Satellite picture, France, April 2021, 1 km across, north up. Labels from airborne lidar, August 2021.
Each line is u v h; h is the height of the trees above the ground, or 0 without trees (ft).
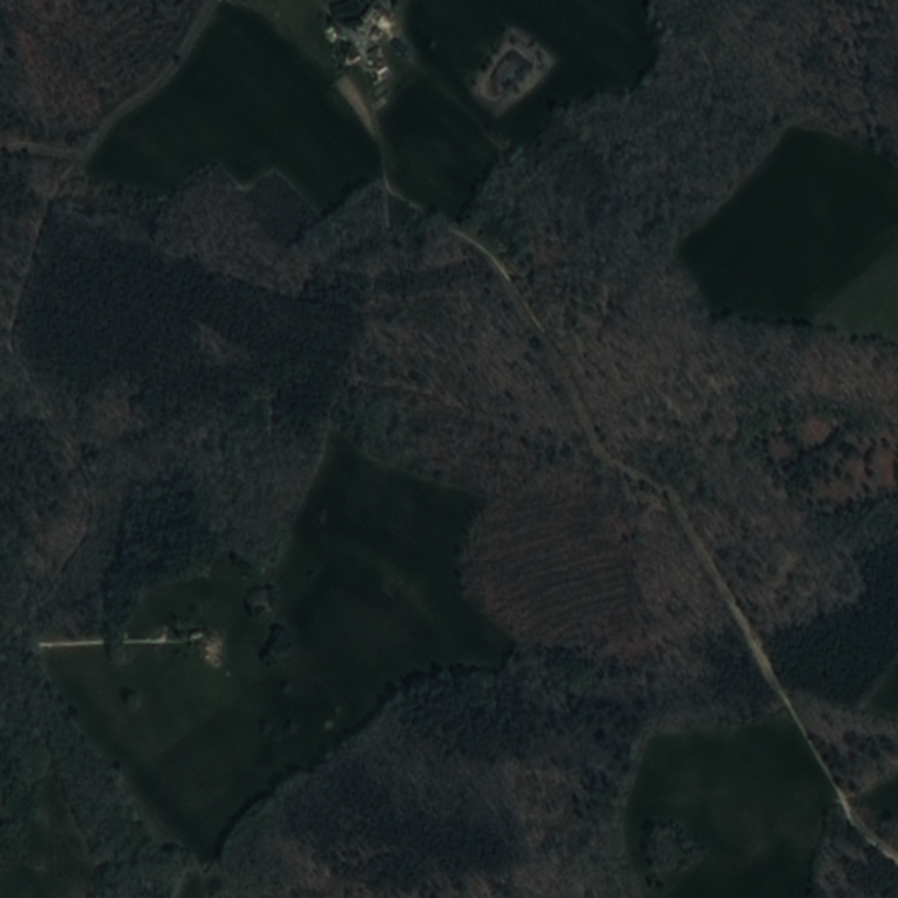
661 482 62
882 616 62
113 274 62
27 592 57
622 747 38
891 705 0
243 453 51
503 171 64
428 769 49
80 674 0
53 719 62
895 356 56
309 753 0
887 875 75
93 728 0
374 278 49
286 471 43
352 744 51
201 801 0
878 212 0
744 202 0
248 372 49
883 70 48
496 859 61
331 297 47
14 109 53
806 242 0
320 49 0
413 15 0
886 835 60
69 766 58
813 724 52
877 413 51
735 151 53
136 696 34
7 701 58
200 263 48
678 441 31
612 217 45
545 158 24
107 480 68
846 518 44
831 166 0
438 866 41
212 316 61
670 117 64
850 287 0
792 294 0
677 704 65
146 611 0
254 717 0
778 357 52
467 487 23
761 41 41
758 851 0
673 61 62
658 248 42
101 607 54
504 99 0
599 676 21
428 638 0
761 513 49
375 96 0
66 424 53
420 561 0
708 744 0
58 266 57
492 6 0
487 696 82
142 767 0
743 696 72
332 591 0
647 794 0
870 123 42
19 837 42
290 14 0
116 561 38
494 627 0
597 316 48
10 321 55
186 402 49
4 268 48
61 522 79
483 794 57
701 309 39
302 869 52
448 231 58
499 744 78
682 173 55
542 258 21
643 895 0
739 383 47
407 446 50
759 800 0
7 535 50
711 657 52
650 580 52
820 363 58
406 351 52
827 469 43
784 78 48
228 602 0
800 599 61
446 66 0
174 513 57
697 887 0
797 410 45
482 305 49
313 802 58
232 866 66
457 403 52
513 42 29
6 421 61
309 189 0
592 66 0
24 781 63
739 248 0
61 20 25
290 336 52
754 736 0
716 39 73
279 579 0
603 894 60
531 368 66
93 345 47
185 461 48
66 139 26
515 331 42
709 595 42
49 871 0
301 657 0
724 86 81
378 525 0
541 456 41
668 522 47
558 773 68
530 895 44
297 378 35
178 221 23
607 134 65
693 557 53
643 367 54
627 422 42
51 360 63
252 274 25
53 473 87
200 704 0
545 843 23
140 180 0
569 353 45
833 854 60
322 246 46
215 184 27
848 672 57
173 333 44
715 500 53
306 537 0
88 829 64
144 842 52
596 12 0
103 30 42
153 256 54
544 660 66
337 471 0
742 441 45
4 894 0
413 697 55
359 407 65
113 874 71
